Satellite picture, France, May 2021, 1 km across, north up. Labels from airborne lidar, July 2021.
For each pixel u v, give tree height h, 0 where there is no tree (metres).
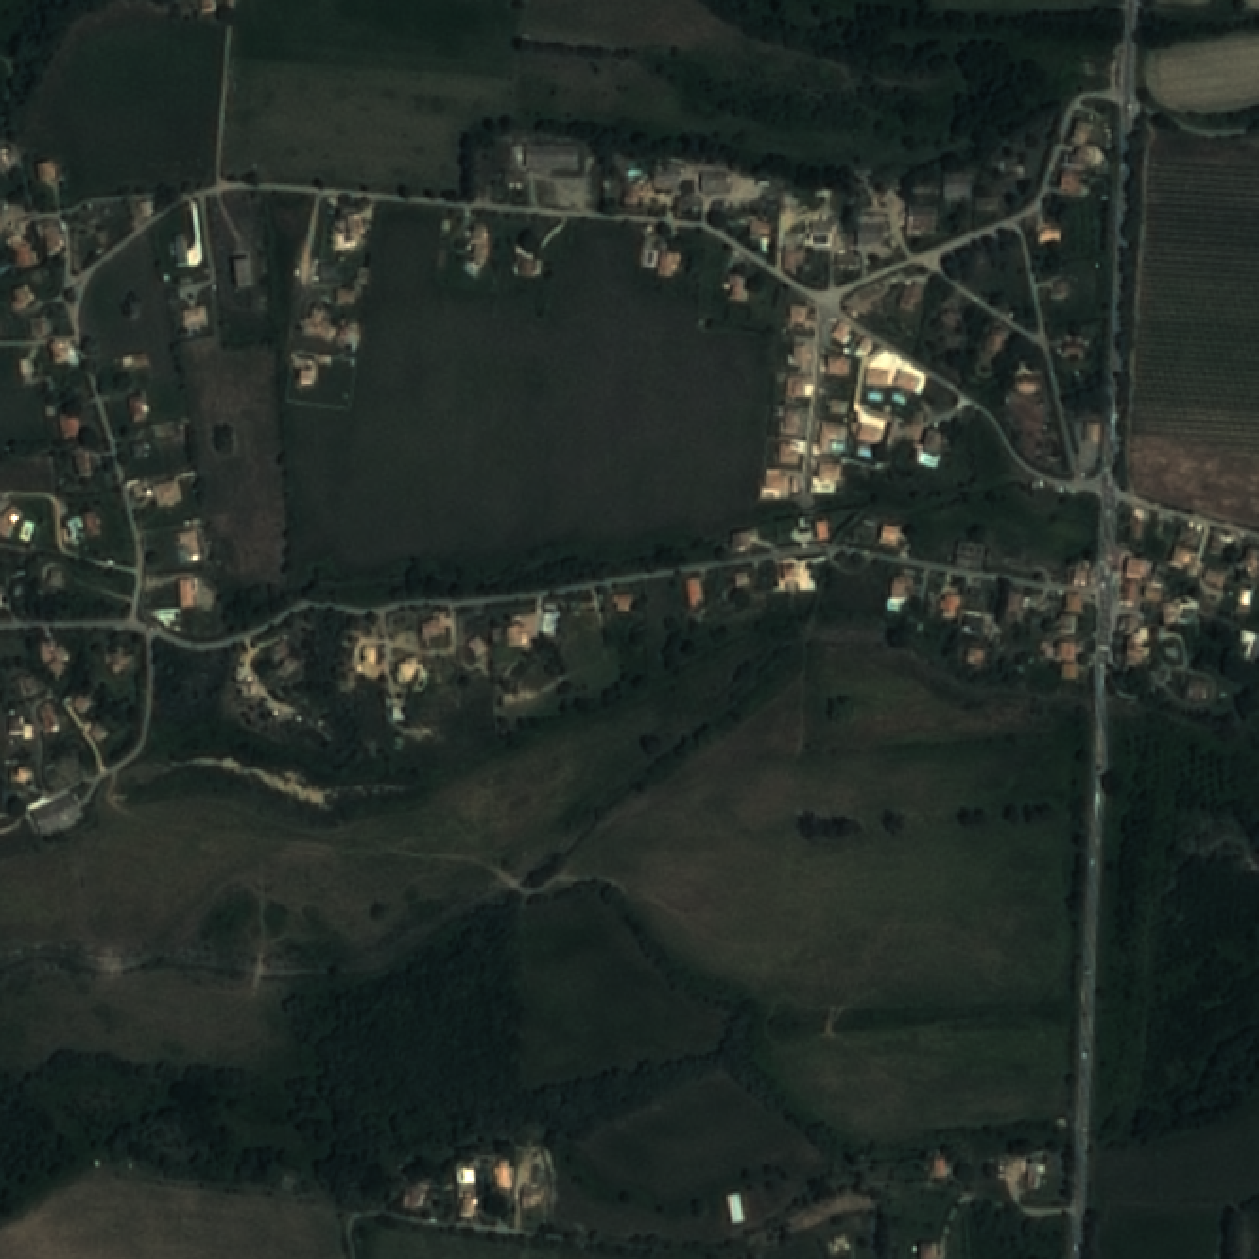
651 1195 0
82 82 0
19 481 0
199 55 0
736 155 10
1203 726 19
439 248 0
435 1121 12
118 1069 7
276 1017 0
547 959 0
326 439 0
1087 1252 14
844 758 0
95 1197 0
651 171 6
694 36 0
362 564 0
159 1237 0
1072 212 17
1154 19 18
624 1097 13
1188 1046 7
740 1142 0
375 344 0
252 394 0
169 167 0
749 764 0
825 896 0
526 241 12
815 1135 11
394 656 0
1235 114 10
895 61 11
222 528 0
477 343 0
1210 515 0
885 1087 0
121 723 7
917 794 0
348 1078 13
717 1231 0
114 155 0
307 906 0
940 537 0
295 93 0
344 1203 11
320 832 0
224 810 0
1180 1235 0
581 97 0
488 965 9
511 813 0
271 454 0
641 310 0
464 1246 0
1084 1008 0
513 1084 11
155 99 0
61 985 0
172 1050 0
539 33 0
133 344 0
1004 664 9
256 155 0
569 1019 0
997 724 0
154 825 0
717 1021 0
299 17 0
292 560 8
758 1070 10
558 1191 0
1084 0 0
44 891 0
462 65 0
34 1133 9
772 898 0
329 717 8
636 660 0
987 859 0
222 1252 0
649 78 0
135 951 0
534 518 0
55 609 7
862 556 8
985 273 0
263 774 0
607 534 0
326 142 0
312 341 0
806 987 0
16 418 0
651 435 0
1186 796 11
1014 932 0
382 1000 10
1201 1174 0
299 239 0
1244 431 0
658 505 0
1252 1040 18
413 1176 7
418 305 0
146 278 0
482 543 0
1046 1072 0
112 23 0
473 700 0
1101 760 0
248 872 0
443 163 0
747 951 0
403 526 0
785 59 0
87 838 0
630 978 0
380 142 0
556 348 0
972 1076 0
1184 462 0
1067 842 0
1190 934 9
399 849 0
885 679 0
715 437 0
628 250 0
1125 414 8
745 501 0
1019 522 0
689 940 0
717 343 0
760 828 0
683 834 0
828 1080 0
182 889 0
